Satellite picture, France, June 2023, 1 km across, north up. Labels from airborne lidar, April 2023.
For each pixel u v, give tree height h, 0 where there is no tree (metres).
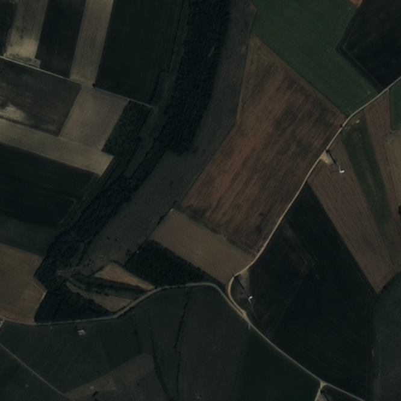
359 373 0
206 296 0
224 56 0
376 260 0
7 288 0
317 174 0
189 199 0
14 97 0
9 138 0
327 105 0
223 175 0
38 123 0
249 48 0
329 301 0
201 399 0
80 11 0
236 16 0
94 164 0
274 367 0
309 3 0
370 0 0
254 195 0
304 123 0
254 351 0
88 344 0
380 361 0
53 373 0
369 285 0
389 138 0
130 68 0
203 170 0
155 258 9
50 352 0
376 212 0
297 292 0
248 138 0
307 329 0
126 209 0
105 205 16
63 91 0
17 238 0
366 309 0
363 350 0
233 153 0
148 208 0
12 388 0
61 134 0
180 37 0
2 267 0
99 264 0
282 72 0
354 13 0
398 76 0
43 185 0
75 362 0
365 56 0
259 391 0
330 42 0
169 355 0
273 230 0
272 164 0
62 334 0
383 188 0
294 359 0
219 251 0
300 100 0
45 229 0
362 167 0
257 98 0
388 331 0
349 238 0
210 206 0
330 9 0
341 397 0
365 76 0
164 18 0
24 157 0
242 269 0
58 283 5
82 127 0
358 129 0
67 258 10
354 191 0
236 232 0
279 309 0
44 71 0
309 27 0
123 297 0
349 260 0
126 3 0
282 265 0
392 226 0
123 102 0
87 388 0
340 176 0
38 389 0
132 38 0
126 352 0
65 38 0
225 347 0
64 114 0
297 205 0
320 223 0
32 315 0
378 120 0
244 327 0
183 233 0
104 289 17
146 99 0
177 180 0
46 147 0
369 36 0
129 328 0
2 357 0
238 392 0
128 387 0
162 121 0
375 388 0
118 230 0
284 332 0
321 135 0
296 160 0
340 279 0
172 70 0
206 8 15
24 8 0
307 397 0
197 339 0
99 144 0
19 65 0
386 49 0
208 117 0
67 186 0
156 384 0
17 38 0
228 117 0
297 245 0
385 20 0
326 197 0
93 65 0
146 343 0
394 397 0
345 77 0
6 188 0
